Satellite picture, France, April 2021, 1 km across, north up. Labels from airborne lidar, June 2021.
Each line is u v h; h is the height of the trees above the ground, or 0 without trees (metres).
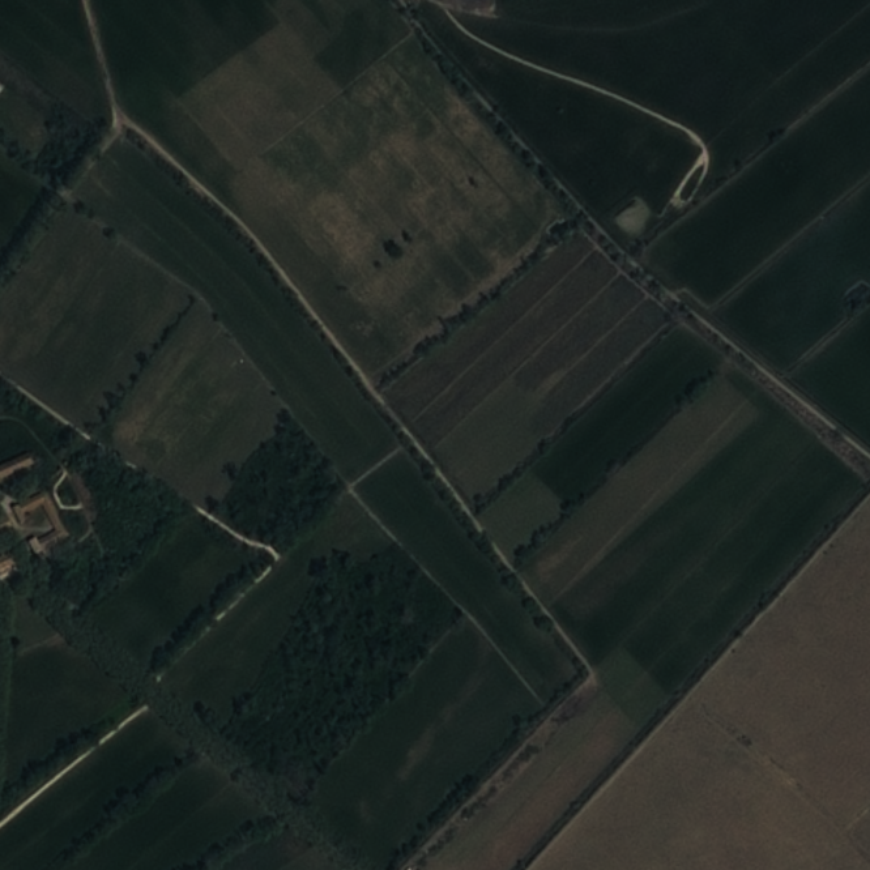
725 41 0
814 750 0
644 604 0
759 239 0
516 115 0
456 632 14
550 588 0
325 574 26
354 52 0
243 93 0
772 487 0
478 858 0
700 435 0
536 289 0
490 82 0
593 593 0
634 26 0
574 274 0
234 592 15
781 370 0
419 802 0
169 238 0
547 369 0
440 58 9
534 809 0
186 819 0
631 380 0
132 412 0
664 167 0
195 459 0
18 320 0
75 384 0
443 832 0
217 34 0
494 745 0
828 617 0
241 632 0
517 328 0
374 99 0
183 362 0
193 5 0
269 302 0
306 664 17
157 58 0
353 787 0
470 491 0
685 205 0
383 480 0
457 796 13
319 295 0
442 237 0
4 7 0
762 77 0
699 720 0
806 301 0
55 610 26
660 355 0
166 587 0
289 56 0
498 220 0
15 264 22
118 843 0
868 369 0
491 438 0
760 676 0
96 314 0
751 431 0
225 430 0
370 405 13
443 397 0
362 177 0
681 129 0
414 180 0
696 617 0
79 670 0
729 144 0
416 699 0
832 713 0
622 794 0
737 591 0
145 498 13
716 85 0
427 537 0
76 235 0
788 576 0
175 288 0
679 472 0
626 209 0
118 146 0
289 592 0
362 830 0
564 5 0
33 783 13
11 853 0
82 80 0
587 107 0
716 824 0
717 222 0
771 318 0
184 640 16
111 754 0
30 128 0
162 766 0
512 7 0
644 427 0
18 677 0
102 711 0
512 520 0
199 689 0
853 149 0
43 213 21
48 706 0
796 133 0
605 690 0
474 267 0
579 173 0
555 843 0
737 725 0
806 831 0
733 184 0
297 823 31
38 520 0
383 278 0
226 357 0
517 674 0
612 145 0
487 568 0
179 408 0
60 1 0
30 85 0
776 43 0
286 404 0
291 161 0
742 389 0
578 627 0
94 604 14
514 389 0
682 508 0
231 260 0
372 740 0
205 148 0
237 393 0
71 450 22
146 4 0
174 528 14
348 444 0
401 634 6
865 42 0
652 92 0
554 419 0
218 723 25
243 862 0
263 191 0
